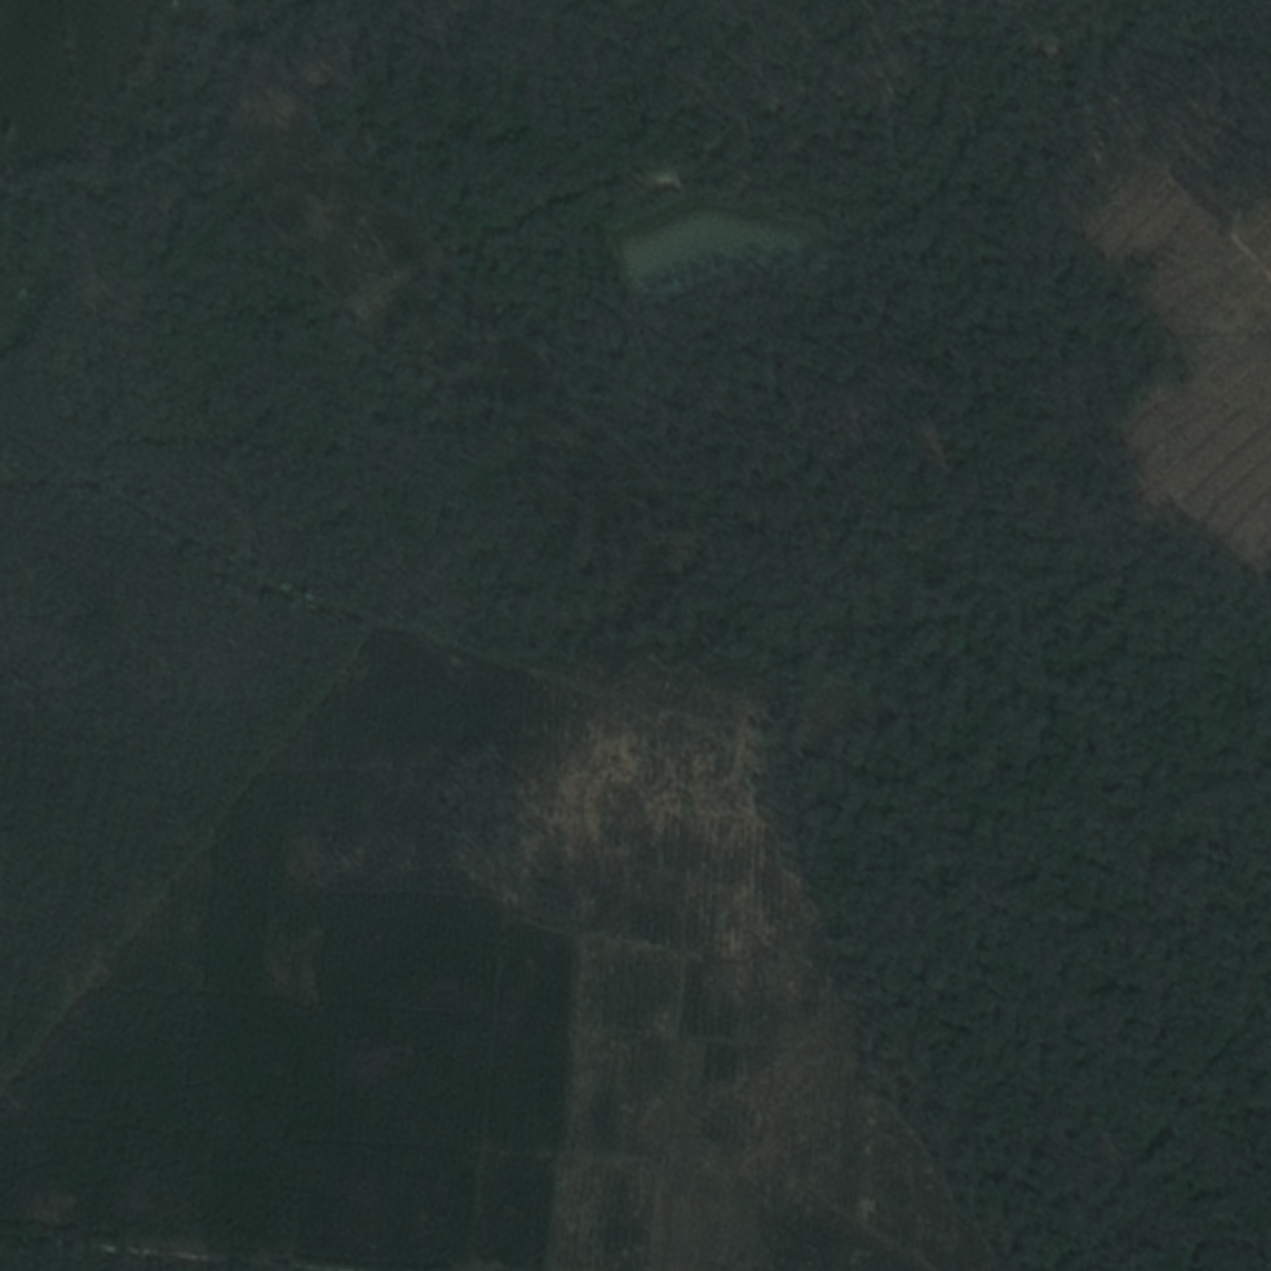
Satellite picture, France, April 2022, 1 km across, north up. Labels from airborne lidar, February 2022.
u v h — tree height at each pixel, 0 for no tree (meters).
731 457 27
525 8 29
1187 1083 21
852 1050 0
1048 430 27
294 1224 8
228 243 27
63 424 23
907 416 26
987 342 25
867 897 22
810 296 28
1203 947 26
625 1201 0
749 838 0
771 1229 0
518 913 0
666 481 26
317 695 11
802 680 25
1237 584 23
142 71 15
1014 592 24
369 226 0
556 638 11
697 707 0
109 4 0
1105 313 26
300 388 26
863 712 0
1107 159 17
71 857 0
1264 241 0
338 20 26
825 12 30
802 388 28
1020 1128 27
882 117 22
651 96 26
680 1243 0
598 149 23
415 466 26
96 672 18
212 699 17
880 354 27
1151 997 24
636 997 0
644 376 29
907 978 24
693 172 25
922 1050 27
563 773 0
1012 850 28
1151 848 26
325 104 24
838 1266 0
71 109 0
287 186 0
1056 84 24
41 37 0
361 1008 6
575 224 28
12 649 19
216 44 19
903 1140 0
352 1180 6
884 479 24
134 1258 15
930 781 23
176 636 17
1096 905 26
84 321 29
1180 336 0
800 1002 0
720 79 26
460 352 0
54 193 27
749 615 24
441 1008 7
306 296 27
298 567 23
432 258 0
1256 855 28
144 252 28
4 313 26
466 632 22
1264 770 23
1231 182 24
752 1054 0
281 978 0
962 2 25
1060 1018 26
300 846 0
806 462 24
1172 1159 25
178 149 25
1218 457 0
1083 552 19
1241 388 0
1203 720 22
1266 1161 26
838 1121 0
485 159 28
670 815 0
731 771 0
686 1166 0
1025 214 24
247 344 29
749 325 30
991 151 27
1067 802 28
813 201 22
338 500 21
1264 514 0
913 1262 0
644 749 0
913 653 26
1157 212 0
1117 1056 24
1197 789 23
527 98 25
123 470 6
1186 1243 26
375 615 24
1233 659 25
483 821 19
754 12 29
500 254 22
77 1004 7
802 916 0
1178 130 26
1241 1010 26
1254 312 0
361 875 0
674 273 0
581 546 26
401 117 25
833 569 24
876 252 20
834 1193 0
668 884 0
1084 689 27
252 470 27
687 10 25
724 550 23
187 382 25
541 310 26
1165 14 22
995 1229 23
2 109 0
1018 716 31
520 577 25
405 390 19
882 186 26
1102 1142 24
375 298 0
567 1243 0
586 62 29
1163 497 0
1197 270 0
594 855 0
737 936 0
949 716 22
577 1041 0
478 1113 6
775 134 29
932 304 27
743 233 0
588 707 0
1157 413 0
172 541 22
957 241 27
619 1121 0
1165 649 28
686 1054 0
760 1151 0
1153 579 27
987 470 23
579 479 0
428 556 28
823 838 26
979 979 26
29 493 13
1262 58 28
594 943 0
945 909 29
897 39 24
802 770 18
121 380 25
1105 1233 24
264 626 16
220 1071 8
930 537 25
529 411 26
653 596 22
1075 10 27
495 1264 0
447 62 25
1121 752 25
